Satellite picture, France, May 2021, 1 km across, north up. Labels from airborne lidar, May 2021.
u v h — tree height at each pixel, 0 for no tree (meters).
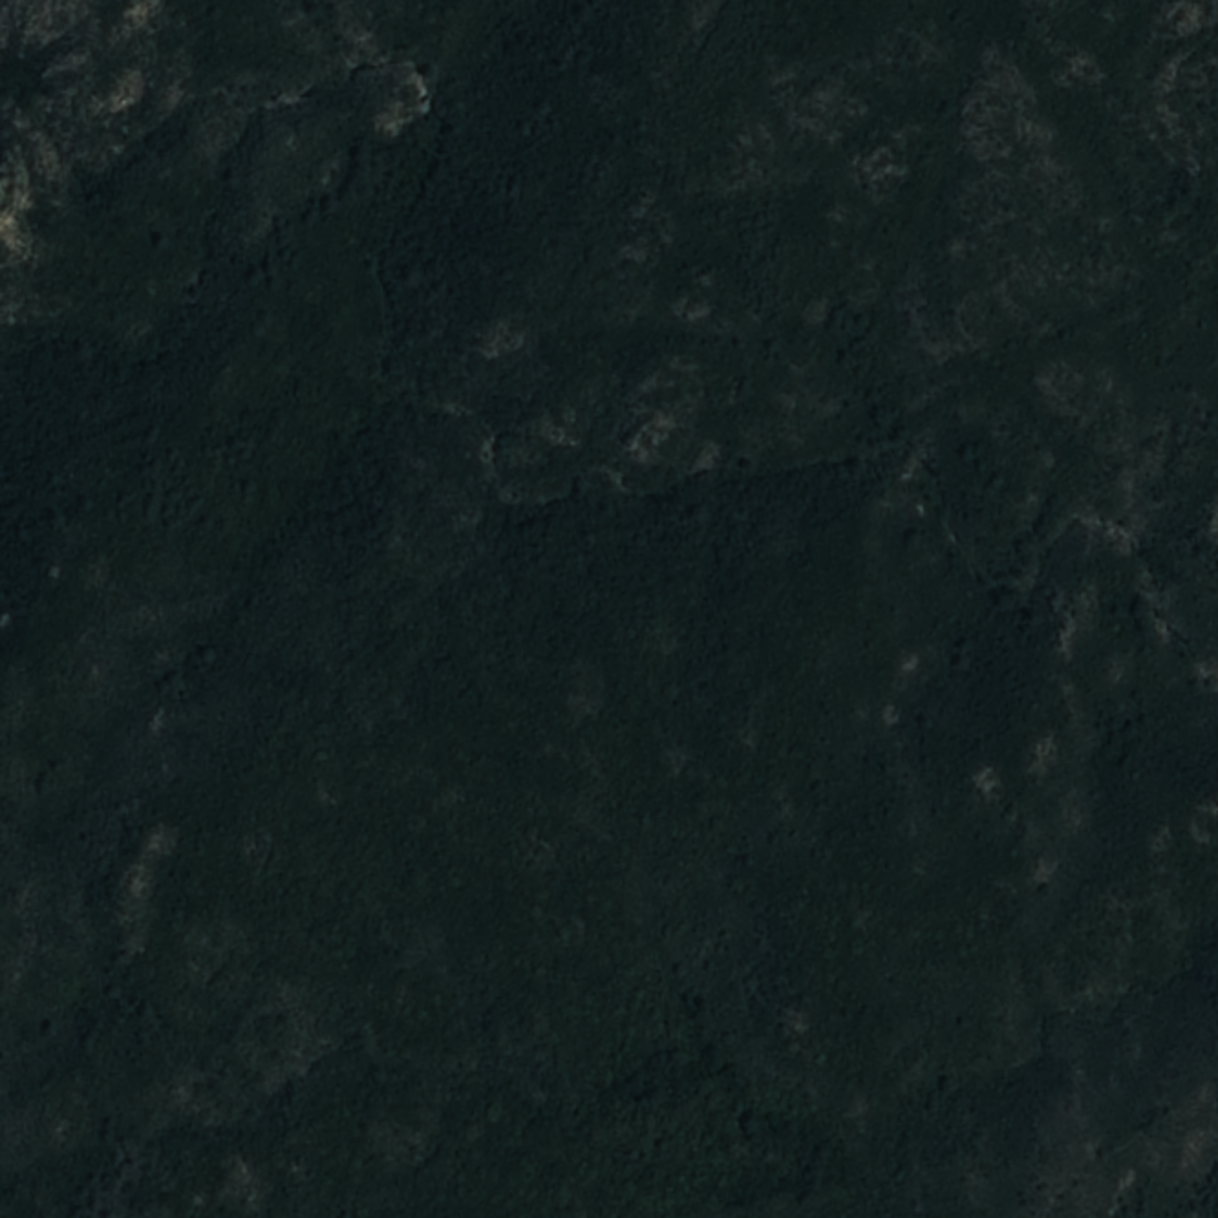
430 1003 7
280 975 9
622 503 10
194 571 7
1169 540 7
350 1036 7
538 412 6
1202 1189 12
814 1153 12
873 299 8
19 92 14
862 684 6
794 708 10
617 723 8
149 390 9
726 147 6
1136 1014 6
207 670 10
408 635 6
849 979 6
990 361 7
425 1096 7
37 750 6
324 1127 6
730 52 17
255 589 15
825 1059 7
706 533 12
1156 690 6
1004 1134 6
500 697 6
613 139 16
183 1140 7
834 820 6
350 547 7
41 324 7
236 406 9
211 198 11
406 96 7
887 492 7
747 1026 7
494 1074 9
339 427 13
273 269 20
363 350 8
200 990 9
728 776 10
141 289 9
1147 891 5
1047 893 15
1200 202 15
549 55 8
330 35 6
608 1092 14
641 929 7
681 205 6
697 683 5
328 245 10
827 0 8
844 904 7
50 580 6
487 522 14
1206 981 8
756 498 12
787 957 7
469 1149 9
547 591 8
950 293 6
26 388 10
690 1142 12
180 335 15
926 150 8
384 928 14
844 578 7
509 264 9
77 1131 8
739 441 10
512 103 6
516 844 9
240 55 5
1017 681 7
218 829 11
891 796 6
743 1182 15
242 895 9
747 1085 7
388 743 7
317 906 10
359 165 28
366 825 11
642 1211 11
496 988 6
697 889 6
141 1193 9
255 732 10
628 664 5
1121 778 7
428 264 11
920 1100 11
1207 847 11
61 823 7
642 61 7
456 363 9
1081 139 7
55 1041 5
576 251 5
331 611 5
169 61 6
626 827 7
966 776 8
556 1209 10
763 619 7
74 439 10
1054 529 25
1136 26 8
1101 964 6
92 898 9
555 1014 8
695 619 12
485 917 8
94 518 7
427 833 6
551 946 7
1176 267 9
